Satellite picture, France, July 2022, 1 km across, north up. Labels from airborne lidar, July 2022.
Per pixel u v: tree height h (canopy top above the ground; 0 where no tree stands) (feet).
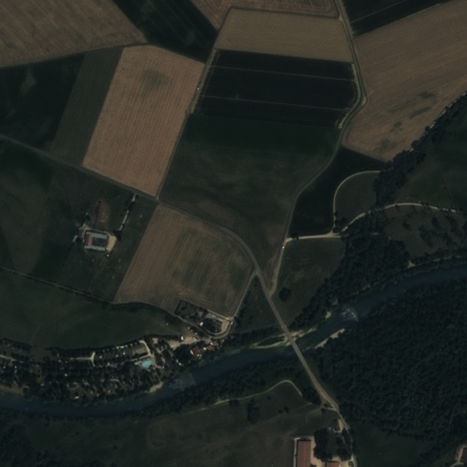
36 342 0
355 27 0
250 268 0
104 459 0
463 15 0
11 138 0
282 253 0
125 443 0
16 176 0
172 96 0
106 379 45
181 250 0
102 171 0
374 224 49
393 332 61
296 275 0
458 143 0
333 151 0
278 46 0
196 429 0
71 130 0
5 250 0
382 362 74
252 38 0
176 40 0
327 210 0
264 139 0
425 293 61
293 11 0
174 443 0
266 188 0
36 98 0
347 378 34
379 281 52
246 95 0
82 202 0
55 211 0
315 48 0
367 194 0
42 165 0
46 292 0
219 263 0
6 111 0
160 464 0
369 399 47
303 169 0
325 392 0
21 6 0
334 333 0
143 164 0
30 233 0
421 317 80
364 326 81
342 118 0
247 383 45
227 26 0
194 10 0
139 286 0
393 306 43
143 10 0
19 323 0
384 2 0
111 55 0
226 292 0
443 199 0
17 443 54
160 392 0
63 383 52
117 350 22
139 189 0
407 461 0
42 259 0
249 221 0
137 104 0
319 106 0
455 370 31
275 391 0
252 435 0
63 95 0
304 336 0
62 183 0
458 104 47
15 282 0
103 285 0
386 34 0
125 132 0
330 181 0
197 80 0
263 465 0
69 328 0
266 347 0
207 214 0
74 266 0
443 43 0
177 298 0
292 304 0
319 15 0
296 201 0
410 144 0
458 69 0
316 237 0
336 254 0
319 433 45
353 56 0
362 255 66
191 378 0
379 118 0
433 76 0
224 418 0
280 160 0
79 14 0
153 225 0
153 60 0
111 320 0
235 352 0
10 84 0
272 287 0
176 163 0
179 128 0
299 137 0
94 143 0
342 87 0
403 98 0
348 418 44
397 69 0
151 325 0
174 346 0
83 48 0
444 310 65
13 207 0
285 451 0
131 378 44
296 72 0
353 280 61
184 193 0
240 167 0
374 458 0
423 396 64
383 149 0
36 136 0
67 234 0
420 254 0
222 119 0
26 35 0
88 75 0
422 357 63
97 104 0
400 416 47
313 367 0
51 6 0
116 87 0
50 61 0
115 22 0
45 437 0
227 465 0
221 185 0
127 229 0
